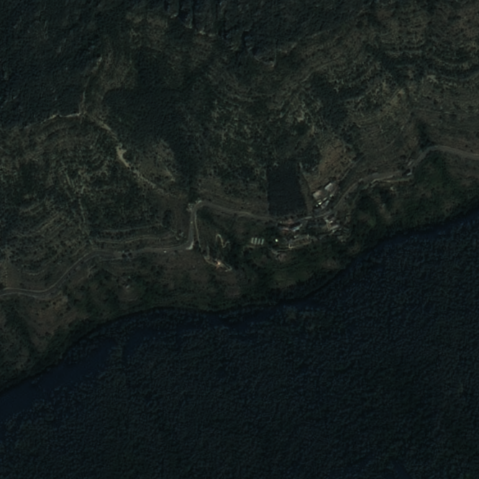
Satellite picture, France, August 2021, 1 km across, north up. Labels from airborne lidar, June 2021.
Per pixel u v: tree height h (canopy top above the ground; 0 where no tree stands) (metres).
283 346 23
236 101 8
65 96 7
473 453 15
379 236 7
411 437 7
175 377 16
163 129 10
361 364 16
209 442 9
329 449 11
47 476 9
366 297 18
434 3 9
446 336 13
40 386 19
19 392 17
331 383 11
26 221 6
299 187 15
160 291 7
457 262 18
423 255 9
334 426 14
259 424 22
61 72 7
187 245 0
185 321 17
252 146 6
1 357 9
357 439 10
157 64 10
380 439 12
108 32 8
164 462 18
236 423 16
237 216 9
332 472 6
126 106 5
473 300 22
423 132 8
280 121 7
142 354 12
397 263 14
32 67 8
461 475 17
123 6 13
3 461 14
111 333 19
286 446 8
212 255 7
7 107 6
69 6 8
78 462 14
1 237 8
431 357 10
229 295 35
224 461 12
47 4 10
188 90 5
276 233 7
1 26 11
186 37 6
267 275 9
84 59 7
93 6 9
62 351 7
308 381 21
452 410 12
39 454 7
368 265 18
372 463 7
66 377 19
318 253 6
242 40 10
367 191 9
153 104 8
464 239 20
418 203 17
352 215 6
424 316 13
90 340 8
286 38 12
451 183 7
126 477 11
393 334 16
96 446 16
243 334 16
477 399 20
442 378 11
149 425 22
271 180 14
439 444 8
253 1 7
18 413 38
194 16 37
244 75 8
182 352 18
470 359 18
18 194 5
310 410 15
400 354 13
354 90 8
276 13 5
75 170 6
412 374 13
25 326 10
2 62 7
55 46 6
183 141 9
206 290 30
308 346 19
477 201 12
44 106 9
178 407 13
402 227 24
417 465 12
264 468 15
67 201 12
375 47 7
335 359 15
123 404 16
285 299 14
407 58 10
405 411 12
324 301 16
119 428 13
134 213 5
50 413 30
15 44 6
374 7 15
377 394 14
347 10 7
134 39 6
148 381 18
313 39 13
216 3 10
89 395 10
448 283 9
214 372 18
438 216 6
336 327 15
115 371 11
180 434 16
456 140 0
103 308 15
